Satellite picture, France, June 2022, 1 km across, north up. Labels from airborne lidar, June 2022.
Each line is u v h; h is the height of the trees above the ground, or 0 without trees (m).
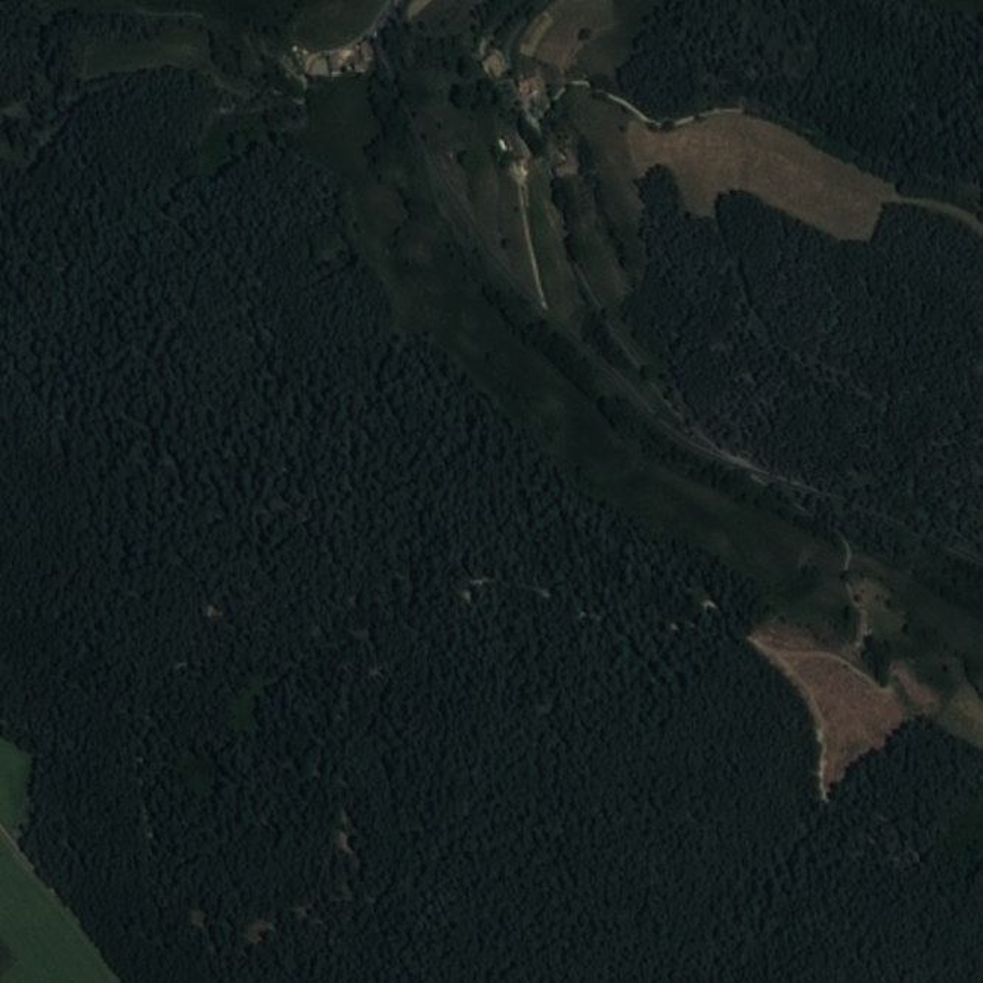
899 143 19
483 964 28
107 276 38
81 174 25
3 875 0
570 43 0
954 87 18
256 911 26
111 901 25
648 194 15
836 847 26
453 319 0
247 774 32
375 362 31
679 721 24
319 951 27
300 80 0
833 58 16
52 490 37
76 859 25
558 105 13
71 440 37
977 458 11
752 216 21
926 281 17
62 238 26
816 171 0
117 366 33
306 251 18
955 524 19
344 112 0
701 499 0
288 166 21
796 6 22
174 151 24
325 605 28
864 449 18
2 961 0
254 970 29
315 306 25
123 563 13
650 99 19
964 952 21
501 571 12
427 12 0
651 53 14
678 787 28
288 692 31
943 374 19
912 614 7
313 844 28
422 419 22
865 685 0
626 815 32
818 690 0
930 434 18
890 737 0
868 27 25
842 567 0
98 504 29
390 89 18
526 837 33
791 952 19
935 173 18
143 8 0
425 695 25
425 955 27
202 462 23
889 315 15
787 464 17
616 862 25
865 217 0
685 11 24
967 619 0
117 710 33
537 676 29
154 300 33
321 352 32
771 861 29
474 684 25
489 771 23
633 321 9
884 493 19
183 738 30
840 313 16
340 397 37
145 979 22
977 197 0
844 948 25
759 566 0
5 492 33
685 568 28
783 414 19
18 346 35
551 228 0
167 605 33
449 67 14
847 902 25
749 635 22
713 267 15
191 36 0
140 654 33
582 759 22
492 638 28
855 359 17
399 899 29
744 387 19
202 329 27
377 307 19
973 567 11
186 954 26
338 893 25
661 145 0
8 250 34
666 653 35
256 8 0
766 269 17
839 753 0
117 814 32
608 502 10
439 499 24
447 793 25
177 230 14
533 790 27
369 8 0
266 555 36
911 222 15
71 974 0
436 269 0
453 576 13
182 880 32
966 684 0
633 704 29
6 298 20
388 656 26
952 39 21
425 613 26
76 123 28
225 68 9
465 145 0
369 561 26
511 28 8
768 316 21
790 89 17
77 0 0
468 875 26
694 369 20
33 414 34
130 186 30
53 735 8
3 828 0
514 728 26
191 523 32
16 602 26
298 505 32
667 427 0
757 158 0
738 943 31
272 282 32
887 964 27
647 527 24
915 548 7
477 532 24
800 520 13
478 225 0
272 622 28
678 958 24
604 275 0
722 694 25
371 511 13
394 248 6
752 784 24
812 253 15
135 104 29
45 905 0
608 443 0
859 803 28
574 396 0
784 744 23
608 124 0
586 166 8
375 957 29
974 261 15
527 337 14
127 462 28
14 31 27
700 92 22
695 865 28
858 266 14
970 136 24
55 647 29
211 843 30
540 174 0
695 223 16
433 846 27
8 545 31
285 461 9
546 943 23
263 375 32
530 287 0
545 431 0
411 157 0
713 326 16
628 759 27
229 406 26
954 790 30
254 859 30
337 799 23
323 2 0
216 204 27
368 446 36
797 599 0
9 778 0
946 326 15
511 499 30
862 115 19
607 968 22
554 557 18
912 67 17
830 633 0
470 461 30
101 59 0
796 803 26
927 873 25
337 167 0
